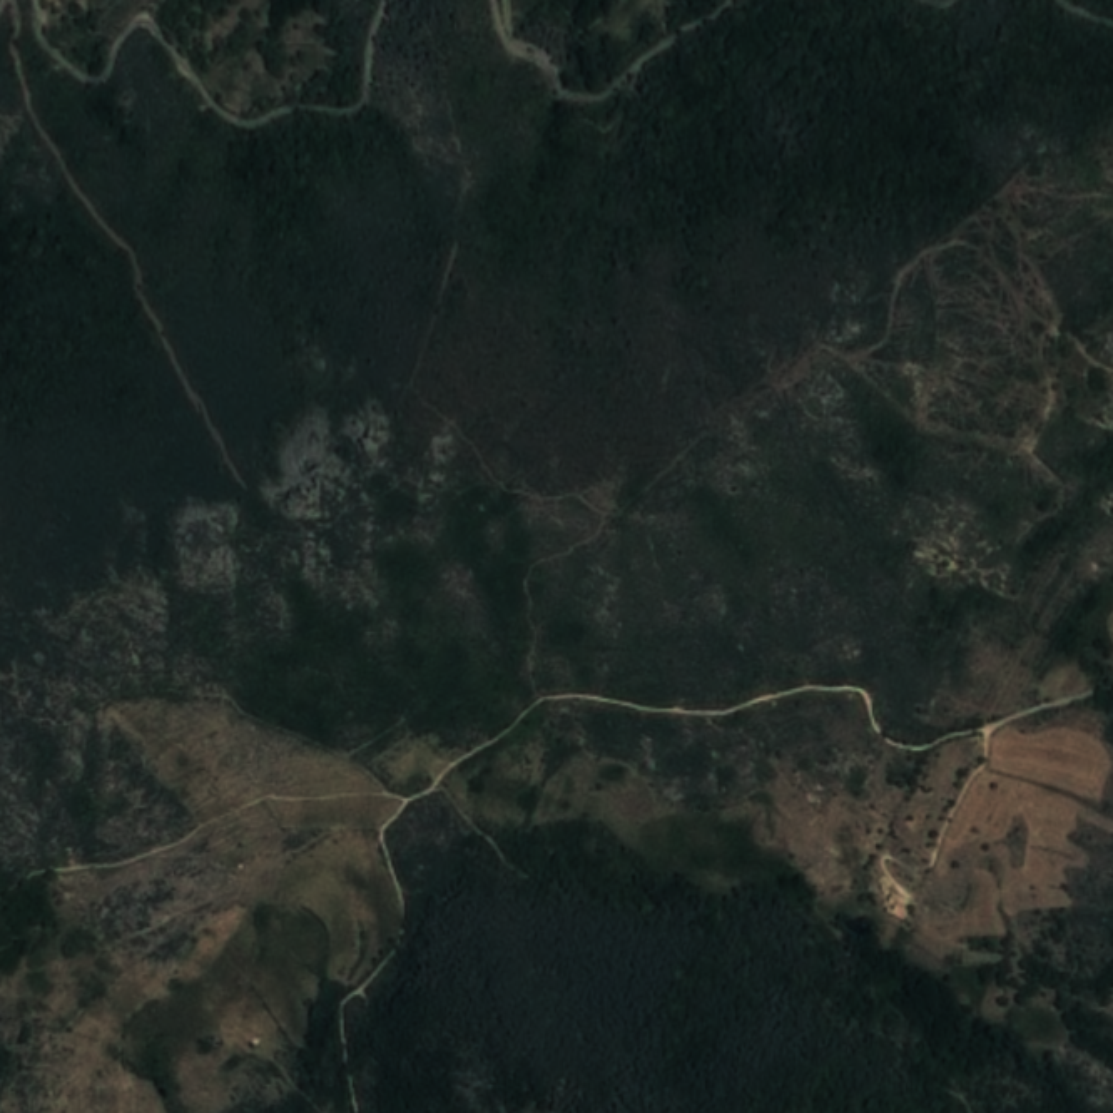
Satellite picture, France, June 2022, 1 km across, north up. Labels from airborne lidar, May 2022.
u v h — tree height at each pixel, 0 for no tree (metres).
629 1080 15
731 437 0
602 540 0
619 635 0
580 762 0
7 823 0
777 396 0
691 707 0
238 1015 0
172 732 0
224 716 0
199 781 0
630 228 5
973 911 0
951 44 9
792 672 0
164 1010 0
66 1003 0
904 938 0
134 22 0
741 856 0
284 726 0
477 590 0
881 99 11
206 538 0
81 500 0
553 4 8
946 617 6
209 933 0
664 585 0
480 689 0
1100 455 7
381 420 0
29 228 7
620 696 0
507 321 0
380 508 0
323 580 0
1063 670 0
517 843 6
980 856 0
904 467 7
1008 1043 20
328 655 0
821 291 0
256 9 6
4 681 0
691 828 0
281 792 0
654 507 0
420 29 7
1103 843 0
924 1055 15
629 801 0
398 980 6
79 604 0
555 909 14
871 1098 15
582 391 0
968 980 0
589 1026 14
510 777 0
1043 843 0
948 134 10
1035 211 0
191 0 11
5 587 0
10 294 9
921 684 0
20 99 0
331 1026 7
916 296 0
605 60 7
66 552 0
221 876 0
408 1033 12
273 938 0
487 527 0
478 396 0
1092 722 0
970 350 0
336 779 0
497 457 0
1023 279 0
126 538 0
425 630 0
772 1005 18
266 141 7
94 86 9
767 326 0
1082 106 7
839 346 0
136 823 0
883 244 0
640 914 8
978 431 0
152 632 0
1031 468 0
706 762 0
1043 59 9
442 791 0
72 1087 0
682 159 7
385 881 0
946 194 8
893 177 9
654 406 0
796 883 8
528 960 9
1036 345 0
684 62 11
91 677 0
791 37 9
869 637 0
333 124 8
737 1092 20
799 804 0
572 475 0
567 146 10
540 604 0
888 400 0
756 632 0
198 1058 0
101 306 6
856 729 0
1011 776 0
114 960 0
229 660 0
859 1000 14
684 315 0
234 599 0
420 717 0
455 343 0
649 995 22
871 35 11
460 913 13
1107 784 0
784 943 16
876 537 0
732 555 0
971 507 0
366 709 0
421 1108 10
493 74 6
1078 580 6
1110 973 8
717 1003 16
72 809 0
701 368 0
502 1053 10
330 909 0
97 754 0
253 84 0
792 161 6
